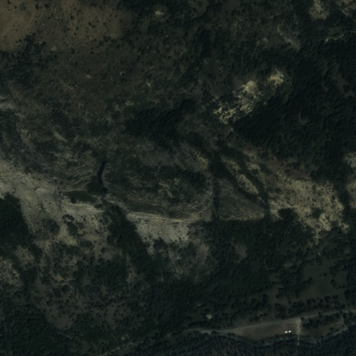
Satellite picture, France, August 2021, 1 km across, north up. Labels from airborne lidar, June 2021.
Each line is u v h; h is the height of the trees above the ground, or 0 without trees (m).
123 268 11
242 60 12
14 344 14
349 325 18
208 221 7
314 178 17
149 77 13
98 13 0
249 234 11
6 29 0
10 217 16
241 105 6
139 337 8
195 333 9
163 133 19
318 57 13
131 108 6
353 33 8
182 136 6
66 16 0
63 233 0
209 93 7
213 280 19
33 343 16
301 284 10
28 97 0
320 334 0
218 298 15
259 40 8
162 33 9
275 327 0
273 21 8
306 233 8
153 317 10
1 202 18
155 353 17
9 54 12
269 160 8
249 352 15
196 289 15
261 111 21
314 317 0
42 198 0
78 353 8
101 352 8
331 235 26
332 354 22
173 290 24
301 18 7
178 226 0
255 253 8
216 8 9
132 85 0
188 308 12
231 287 27
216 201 12
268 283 15
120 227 10
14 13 0
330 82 15
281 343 12
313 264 12
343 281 0
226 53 11
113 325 6
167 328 12
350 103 19
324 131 12
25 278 8
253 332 0
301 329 0
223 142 12
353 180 0
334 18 12
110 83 0
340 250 7
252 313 6
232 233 9
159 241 9
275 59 19
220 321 12
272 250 16
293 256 8
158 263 10
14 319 12
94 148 7
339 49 22
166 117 18
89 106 0
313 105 12
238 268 17
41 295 0
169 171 8
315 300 9
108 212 7
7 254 6
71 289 6
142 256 13
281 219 7
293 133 10
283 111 10
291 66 26
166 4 8
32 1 0
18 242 7
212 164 8
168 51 6
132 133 8
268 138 17
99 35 0
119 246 11
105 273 12
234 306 12
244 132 23
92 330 10
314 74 21
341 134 27
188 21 7
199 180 12
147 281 15
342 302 0
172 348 20
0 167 0
